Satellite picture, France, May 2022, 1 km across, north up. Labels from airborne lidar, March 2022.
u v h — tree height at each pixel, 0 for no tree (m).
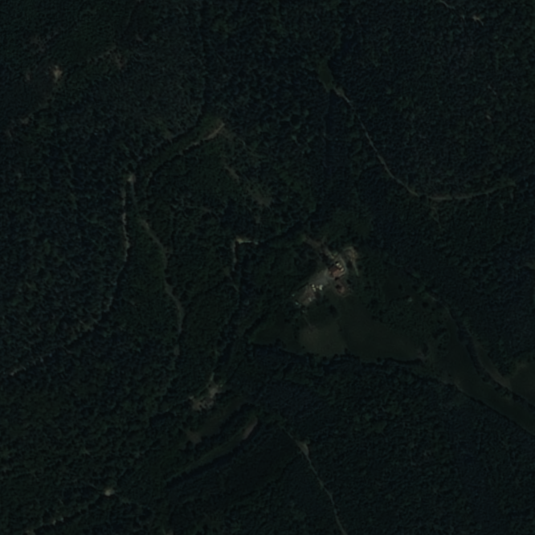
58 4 8
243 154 9
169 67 25
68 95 9
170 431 16
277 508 19
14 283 31
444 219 10
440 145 26
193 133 14
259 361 27
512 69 32
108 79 22
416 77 24
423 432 9
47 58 9
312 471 14
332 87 0
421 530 9
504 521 21
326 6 17
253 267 27
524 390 0
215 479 18
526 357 24
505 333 20
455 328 0
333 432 15
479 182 15
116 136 27
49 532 23
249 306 26
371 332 0
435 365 0
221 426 0
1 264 24
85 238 28
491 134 29
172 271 16
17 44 8
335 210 23
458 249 12
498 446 14
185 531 22
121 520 16
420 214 11
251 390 15
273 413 20
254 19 36
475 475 28
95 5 10
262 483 12
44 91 17
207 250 19
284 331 0
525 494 11
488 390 0
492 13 22
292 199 8
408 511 14
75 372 30
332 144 30
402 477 16
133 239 17
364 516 14
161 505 17
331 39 31
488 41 11
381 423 19
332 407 13
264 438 20
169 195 24
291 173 24
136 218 13
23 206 29
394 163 26
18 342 35
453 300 24
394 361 14
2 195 17
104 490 21
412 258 26
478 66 18
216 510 15
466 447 27
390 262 21
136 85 28
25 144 20
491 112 28
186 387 13
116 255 17
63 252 33
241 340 10
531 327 21
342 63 33
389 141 31
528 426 0
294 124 26
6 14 7
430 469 15
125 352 37
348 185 35
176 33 31
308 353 0
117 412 26
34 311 36
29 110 14
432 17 18
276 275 26
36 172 29
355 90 26
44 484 9
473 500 28
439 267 23
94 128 27
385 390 13
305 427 18
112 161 12
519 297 25
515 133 30
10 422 29
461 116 30
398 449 14
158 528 13
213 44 36
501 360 17
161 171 21
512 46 25
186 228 9
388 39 23
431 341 0
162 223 17
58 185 36
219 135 7
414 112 31
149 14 10
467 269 22
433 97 26
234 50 32
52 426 28
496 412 16
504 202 7
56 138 16
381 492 11
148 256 17
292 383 26
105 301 33
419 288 23
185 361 18
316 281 0
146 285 13
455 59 12
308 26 27
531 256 23
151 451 13
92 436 23
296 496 19
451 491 16
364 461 19
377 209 27
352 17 32
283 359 24
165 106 30
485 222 13
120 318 10
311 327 0
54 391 24
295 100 33
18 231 12
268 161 17
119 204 17
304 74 35
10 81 12
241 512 17
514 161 30
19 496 11
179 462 20
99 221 25
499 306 25
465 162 30
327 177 25
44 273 36
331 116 33
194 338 13
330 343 0
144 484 12
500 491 15
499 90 28
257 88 33
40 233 7
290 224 16
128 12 12
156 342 33
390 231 24
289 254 22
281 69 13
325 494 16
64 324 24
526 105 26
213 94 25
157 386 25
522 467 13
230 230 18
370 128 24
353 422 14
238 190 7
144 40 20
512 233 18
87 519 11
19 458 26
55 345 32
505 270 29
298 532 21
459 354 0
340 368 18
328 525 12
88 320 31
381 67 22
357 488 16
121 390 30
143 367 29
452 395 20
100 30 7
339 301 0
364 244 34
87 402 27
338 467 14
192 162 16
